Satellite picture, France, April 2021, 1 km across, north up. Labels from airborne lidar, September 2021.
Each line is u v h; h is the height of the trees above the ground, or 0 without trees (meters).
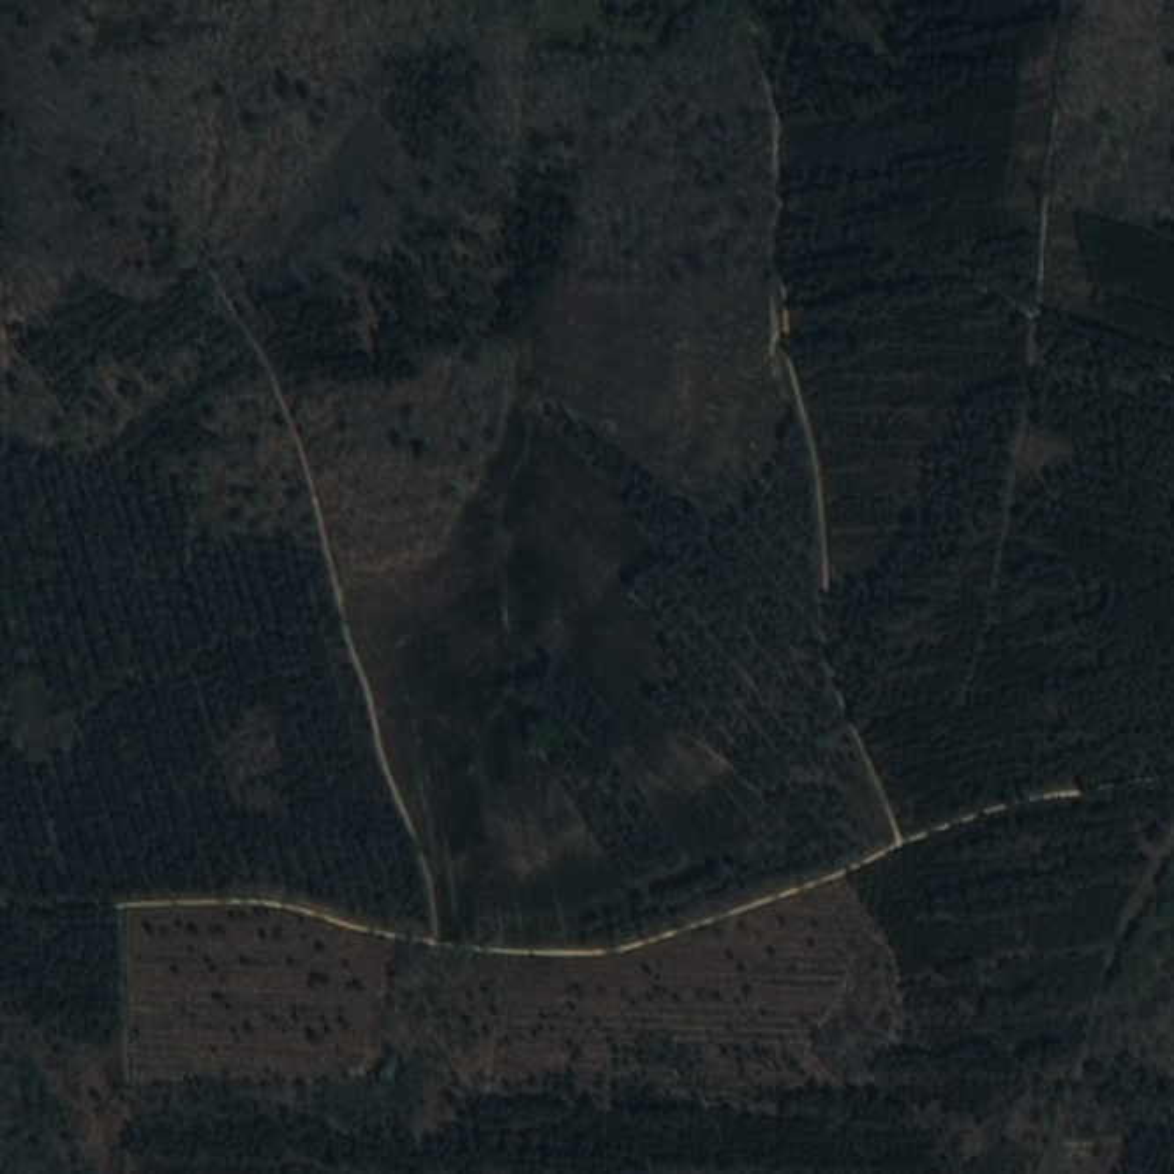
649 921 18
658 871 20
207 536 13
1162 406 20
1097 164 18
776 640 17
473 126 16
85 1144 11
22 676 20
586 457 24
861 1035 13
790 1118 17
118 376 10
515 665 0
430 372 14
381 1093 13
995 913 19
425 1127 17
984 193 10
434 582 0
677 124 12
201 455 19
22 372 18
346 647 10
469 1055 20
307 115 15
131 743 14
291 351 8
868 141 9
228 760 8
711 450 0
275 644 15
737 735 11
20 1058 12
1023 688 10
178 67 14
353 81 15
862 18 13
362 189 15
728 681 15
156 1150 23
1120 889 10
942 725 9
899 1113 20
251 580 21
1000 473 17
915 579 18
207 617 17
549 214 20
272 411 10
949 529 19
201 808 11
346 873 18
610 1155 20
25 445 15
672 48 19
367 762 8
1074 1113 11
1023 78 6
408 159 13
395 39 19
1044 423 21
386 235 15
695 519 18
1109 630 18
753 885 19
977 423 22
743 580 20
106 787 13
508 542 0
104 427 11
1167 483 19
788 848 19
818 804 17
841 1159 12
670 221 13
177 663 20
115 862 13
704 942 16
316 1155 21
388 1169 22
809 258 6
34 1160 13
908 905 10
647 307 0
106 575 14
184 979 7
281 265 6
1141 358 9
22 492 19
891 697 8
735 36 18
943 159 18
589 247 20
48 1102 14
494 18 22
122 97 15
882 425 7
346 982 6
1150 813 19
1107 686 20
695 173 16
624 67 22
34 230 16
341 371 18
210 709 13
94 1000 17
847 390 8
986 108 12
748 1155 11
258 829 12
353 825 12
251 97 13
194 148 12
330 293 8
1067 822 21
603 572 0
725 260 19
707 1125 17
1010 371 7
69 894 14
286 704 11
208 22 14
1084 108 17
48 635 16
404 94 29
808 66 25
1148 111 17
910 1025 6
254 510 14
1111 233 12
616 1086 7
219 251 9
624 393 0
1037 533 20
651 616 15
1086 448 18
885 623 19
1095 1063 9
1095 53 16
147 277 8
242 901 8
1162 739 19
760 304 0
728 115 11
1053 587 21
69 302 18
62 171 8
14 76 15
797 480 15
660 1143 12
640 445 0
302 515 10
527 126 21
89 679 17
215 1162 20
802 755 17
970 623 7
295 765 9
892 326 6
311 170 17
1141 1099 19
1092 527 19
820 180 15
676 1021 0
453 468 9
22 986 16
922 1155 11
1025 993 7
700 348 0
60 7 13
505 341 25
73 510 21
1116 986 18
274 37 9
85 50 15
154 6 6
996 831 19
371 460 6
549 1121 23
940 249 12
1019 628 7
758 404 0
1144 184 12
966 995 8
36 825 10
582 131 9
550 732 19
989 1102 10
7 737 12
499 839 0
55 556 24
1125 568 18
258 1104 16
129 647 18
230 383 15
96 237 10
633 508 23
